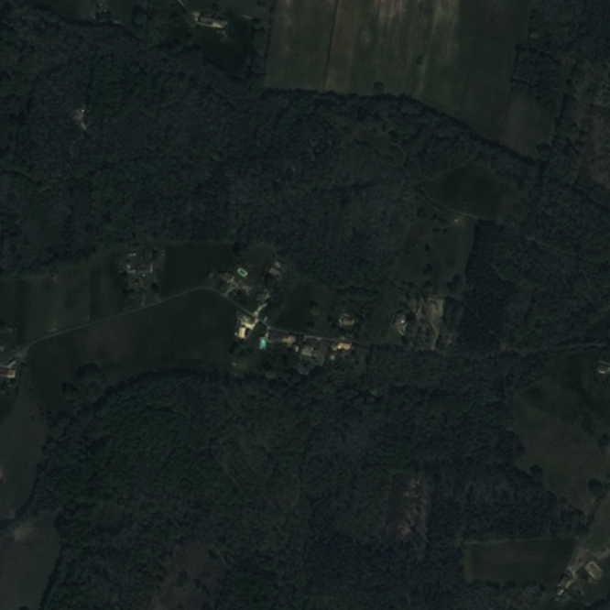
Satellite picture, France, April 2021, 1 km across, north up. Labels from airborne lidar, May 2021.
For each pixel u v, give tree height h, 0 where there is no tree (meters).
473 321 18
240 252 19
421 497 7
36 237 15
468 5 0
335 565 24
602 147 0
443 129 23
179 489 10
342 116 28
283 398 16
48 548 0
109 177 21
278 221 18
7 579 0
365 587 18
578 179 8
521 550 0
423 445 22
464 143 24
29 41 16
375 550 21
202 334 0
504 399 12
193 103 27
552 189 21
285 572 19
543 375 13
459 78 0
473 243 0
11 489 0
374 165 13
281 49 0
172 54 18
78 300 0
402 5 0
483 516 22
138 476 18
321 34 0
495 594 17
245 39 0
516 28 0
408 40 0
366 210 19
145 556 20
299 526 14
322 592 17
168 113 26
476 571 0
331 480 15
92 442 14
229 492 18
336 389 24
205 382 20
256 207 15
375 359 15
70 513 20
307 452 15
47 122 27
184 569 0
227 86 21
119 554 28
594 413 0
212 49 0
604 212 18
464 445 26
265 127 15
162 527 18
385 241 19
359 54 0
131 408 25
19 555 0
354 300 11
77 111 18
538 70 18
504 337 17
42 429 0
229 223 19
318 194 20
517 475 21
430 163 20
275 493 11
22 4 9
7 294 0
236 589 13
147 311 0
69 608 18
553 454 0
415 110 20
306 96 20
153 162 22
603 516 0
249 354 13
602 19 18
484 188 0
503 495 20
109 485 21
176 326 0
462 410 21
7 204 19
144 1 0
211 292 0
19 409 0
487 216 0
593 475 0
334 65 0
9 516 0
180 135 17
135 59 21
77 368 0
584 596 0
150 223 21
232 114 24
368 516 16
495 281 18
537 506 16
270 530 13
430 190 0
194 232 17
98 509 25
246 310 0
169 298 0
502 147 12
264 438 20
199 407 23
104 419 23
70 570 17
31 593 0
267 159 16
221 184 23
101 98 22
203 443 14
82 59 19
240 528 14
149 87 23
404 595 17
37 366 0
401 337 0
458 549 22
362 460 16
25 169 22
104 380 15
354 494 12
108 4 0
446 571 23
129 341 0
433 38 0
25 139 21
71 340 0
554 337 19
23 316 0
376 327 14
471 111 0
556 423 0
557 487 0
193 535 13
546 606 0
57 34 25
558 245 24
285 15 0
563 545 0
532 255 21
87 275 0
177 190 19
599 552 0
